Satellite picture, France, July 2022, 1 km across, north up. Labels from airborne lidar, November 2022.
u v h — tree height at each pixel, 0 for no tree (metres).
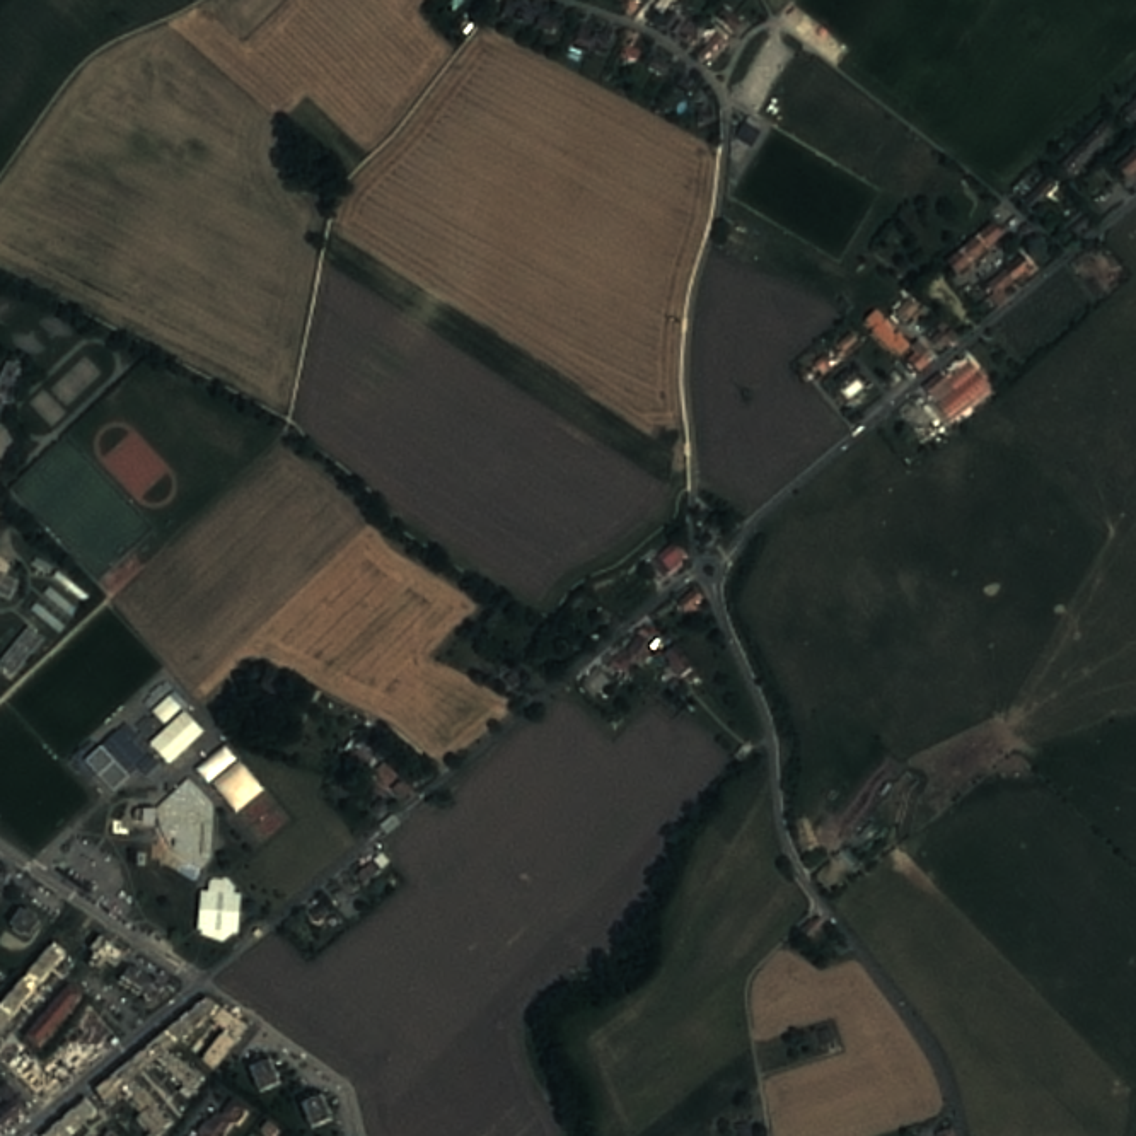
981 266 0
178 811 0
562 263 0
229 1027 0
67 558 22
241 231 0
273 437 0
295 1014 0
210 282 0
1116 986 0
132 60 0
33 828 0
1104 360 0
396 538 14
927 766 0
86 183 0
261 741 18
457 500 0
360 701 0
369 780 16
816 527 0
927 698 0
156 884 0
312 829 0
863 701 0
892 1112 0
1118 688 0
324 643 0
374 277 0
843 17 0
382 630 0
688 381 0
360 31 0
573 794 0
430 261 0
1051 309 0
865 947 0
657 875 20
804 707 0
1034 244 19
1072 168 0
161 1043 0
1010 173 0
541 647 16
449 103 0
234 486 0
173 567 0
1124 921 0
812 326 0
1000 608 0
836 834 0
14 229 0
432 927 0
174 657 0
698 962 0
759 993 0
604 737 0
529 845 0
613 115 0
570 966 0
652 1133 0
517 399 0
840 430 0
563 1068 23
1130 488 0
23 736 0
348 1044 0
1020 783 0
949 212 14
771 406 0
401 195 0
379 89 0
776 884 0
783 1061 0
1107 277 0
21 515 14
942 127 0
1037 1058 0
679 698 15
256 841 0
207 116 0
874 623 0
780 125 0
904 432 17
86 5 0
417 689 0
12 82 0
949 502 0
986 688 0
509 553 0
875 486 0
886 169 0
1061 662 0
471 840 0
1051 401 0
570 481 0
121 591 0
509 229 0
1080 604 0
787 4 0
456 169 0
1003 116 0
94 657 0
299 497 0
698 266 0
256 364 0
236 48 0
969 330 7
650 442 0
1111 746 0
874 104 0
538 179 0
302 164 24
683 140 0
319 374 0
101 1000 0
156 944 0
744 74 0
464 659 0
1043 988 0
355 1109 0
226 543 0
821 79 0
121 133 0
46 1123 0
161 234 0
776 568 0
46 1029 0
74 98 0
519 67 0
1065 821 0
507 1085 0
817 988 0
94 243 0
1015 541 0
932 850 0
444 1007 0
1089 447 0
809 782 0
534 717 15
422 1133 0
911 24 0
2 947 0
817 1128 0
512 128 0
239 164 0
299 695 22
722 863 0
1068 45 0
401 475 0
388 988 0
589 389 0
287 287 0
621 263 0
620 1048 0
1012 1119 0
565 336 0
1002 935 0
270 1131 0
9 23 0
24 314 0
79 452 0
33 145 0
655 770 0
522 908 0
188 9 0
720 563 0
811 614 0
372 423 0
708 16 7
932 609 0
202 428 0
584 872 0
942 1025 0
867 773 0
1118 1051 0
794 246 0
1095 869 0
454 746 0
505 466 0
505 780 0
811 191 0
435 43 0
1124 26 0
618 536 0
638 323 0
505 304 0
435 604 0
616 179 0
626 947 24
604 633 10
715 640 12
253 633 0
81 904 0
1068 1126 0
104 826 0
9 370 0
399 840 0
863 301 0
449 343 0
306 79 0
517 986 0
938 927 0
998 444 0
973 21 0
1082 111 0
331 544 0
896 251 0
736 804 0
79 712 0
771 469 0
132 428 0
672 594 6
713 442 0
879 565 0
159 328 0
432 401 0
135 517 0
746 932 0
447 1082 0
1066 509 0
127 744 0
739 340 0
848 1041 0
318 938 8
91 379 0
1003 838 0
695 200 0
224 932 0
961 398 0
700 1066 0
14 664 0
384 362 0
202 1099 6
